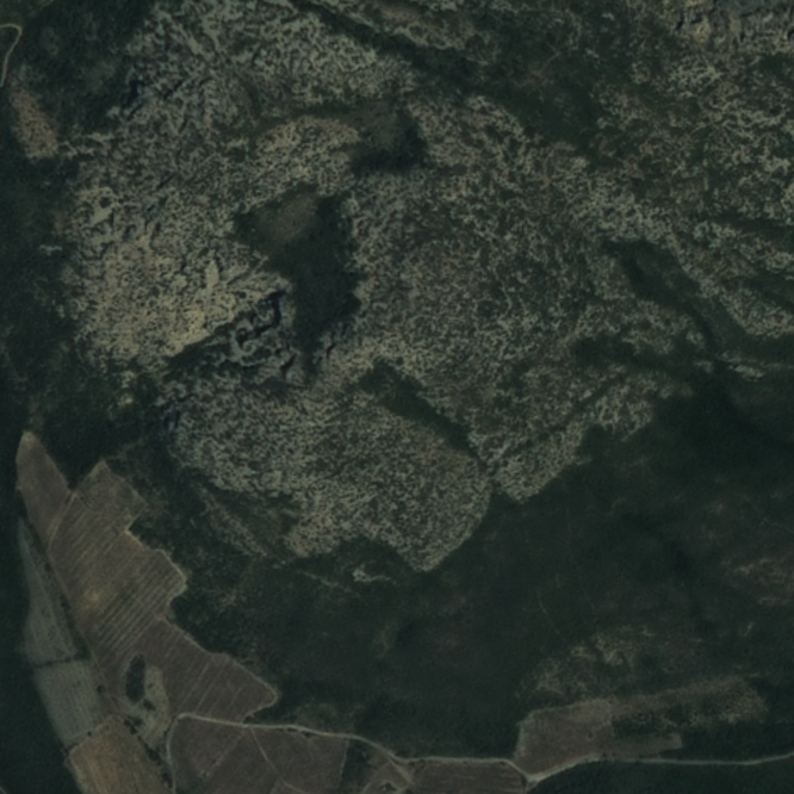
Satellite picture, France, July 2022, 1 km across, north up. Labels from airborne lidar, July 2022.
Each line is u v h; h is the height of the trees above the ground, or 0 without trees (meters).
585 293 6
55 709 0
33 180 6
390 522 0
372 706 6
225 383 0
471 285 0
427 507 0
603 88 0
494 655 0
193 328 0
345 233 6
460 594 0
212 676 0
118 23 5
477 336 0
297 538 0
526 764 0
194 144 0
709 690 0
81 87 6
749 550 0
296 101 0
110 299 0
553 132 0
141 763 0
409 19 0
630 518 6
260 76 0
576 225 0
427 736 0
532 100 0
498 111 0
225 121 0
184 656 0
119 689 0
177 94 0
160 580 0
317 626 0
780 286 0
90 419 5
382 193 0
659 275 0
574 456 0
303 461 0
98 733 0
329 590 0
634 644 0
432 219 0
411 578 0
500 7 0
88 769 0
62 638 0
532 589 0
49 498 0
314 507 0
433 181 0
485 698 0
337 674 0
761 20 0
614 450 0
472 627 0
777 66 0
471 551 0
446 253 0
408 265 0
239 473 0
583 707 0
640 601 0
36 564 0
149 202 0
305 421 0
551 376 0
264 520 0
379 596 0
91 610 0
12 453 7
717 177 0
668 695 0
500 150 0
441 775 0
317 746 0
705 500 0
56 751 5
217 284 0
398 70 0
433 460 0
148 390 6
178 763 0
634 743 0
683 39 0
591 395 0
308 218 0
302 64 0
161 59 0
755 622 0
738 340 0
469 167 0
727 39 0
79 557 0
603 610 0
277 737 0
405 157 6
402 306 0
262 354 7
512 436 0
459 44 0
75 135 0
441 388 0
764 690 7
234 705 0
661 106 0
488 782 0
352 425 0
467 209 0
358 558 0
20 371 6
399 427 0
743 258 0
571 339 0
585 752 0
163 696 0
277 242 0
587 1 0
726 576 0
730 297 0
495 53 0
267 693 0
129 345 0
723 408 8
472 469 0
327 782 0
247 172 0
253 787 0
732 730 9
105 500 0
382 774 0
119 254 0
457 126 0
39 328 7
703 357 5
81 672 0
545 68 0
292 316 0
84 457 7
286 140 0
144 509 0
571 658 0
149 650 0
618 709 0
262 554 0
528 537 0
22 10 7
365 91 0
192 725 0
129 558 0
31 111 0
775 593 0
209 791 0
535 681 0
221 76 0
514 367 0
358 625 0
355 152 0
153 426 7
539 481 0
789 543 0
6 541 6
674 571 6
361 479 0
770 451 7
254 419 0
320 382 0
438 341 0
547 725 0
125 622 0
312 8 6
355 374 0
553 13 0
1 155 6
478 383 0
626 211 0
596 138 0
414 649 0
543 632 0
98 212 0
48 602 0
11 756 6
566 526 0
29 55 7
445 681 0
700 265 0
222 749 0
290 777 0
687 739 6
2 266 6
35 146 0
